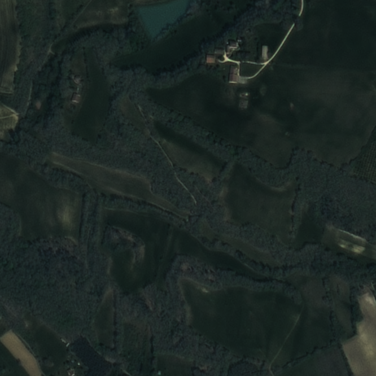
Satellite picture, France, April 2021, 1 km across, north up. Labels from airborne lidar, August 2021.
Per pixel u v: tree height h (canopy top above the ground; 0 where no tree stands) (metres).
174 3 0
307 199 11
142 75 23
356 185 19
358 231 15
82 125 0
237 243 0
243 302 0
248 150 11
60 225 0
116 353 20
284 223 0
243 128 0
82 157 20
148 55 0
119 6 0
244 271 0
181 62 0
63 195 0
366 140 0
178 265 17
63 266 14
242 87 0
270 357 0
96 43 21
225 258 0
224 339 0
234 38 12
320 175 24
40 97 24
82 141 16
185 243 0
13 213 20
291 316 0
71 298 20
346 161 0
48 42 15
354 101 0
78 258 10
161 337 17
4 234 13
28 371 0
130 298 19
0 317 13
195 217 14
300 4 18
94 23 0
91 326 11
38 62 17
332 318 9
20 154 19
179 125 18
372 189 20
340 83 0
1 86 0
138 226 0
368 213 18
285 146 0
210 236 0
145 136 18
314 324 0
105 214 0
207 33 0
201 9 10
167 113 14
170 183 19
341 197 21
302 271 16
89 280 18
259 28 0
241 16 16
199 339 13
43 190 0
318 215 6
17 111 15
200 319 0
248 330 0
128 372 6
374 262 0
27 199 0
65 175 20
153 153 20
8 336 0
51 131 18
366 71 0
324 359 0
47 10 8
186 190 17
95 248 14
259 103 0
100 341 0
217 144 19
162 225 0
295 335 0
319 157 0
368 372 0
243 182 0
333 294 0
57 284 18
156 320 22
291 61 0
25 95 17
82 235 14
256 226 10
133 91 20
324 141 0
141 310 15
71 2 0
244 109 0
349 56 0
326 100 0
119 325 18
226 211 16
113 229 12
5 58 0
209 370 9
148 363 0
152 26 0
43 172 15
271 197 0
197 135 24
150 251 0
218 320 0
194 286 0
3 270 19
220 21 0
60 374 7
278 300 0
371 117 0
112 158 17
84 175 0
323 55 0
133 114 0
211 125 0
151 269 0
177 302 15
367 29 0
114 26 0
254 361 13
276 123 0
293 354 0
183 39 0
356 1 0
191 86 0
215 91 0
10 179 0
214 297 0
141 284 0
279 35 0
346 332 7
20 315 19
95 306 18
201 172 0
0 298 19
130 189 0
